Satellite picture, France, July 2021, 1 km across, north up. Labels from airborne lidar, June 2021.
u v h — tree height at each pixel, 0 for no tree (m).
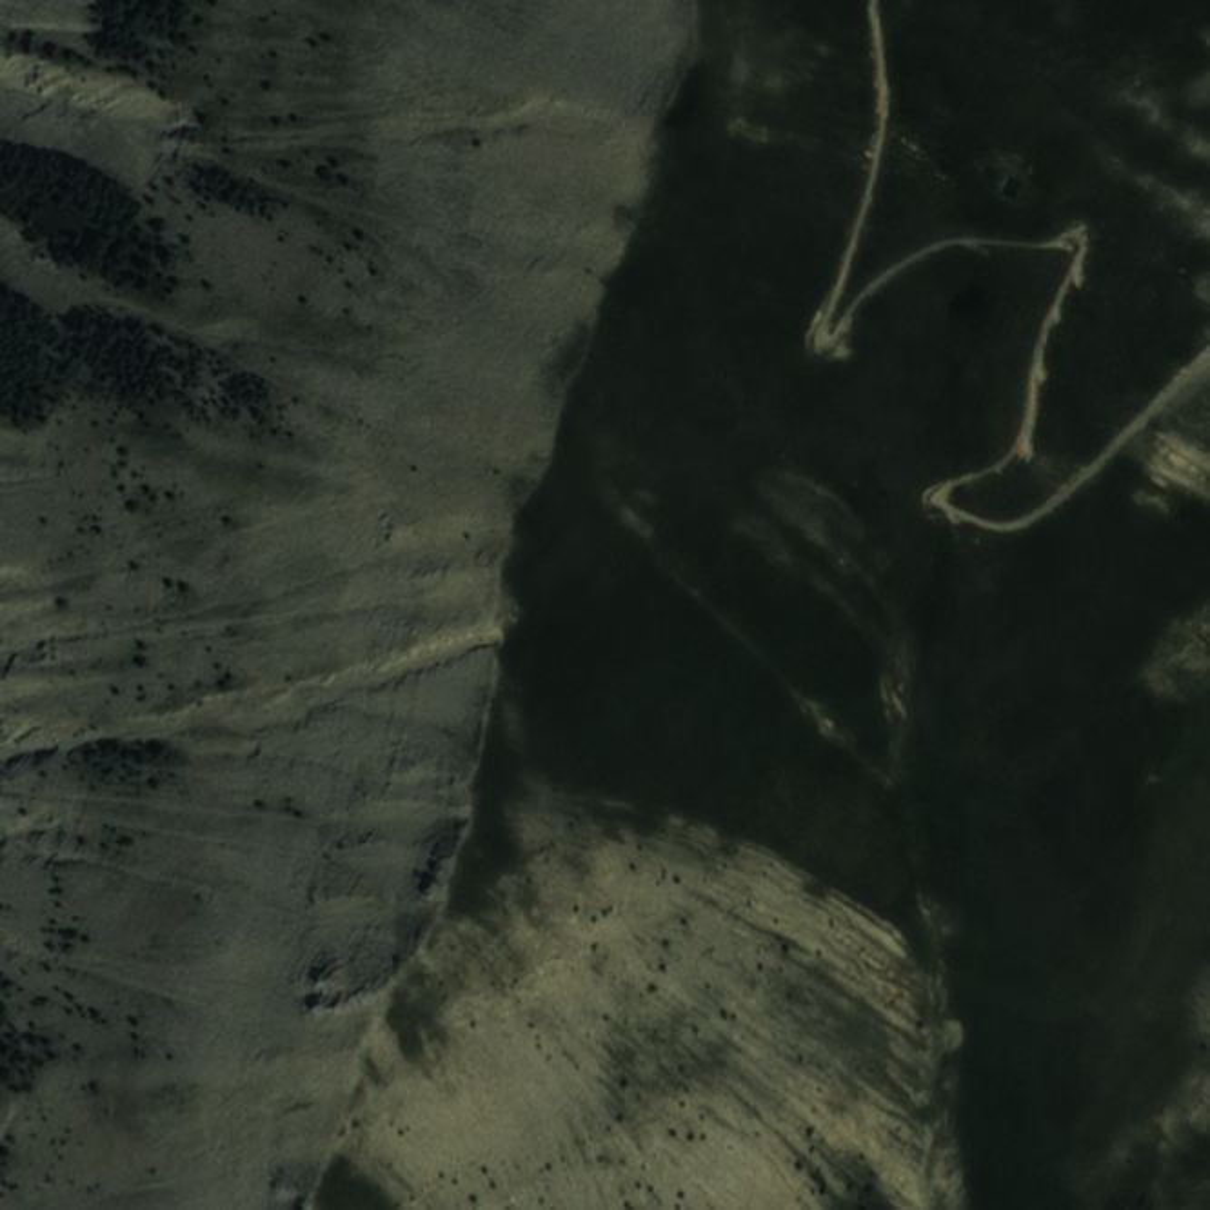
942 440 0
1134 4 0
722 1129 0
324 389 0
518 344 0
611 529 0
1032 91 0
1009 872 0
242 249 0
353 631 0
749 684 0
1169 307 0
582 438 0
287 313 0
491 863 0
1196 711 0
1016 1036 0
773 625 0
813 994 0
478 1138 0
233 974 0
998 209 0
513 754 0
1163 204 0
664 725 0
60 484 0
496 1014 0
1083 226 0
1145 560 0
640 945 0
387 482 0
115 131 0
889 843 0
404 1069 0
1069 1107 0
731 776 0
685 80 0
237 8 0
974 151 0
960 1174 0
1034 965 0
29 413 11
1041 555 0
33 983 0
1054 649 0
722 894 0
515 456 0
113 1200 0
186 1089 0
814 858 0
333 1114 0
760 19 0
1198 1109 0
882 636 0
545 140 0
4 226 0
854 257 0
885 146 0
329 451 0
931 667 0
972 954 0
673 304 0
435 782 0
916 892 0
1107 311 0
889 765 0
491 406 0
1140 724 0
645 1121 0
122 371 10
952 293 0
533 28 0
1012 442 0
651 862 0
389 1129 0
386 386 0
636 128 0
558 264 0
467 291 0
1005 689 0
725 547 0
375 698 0
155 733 0
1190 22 0
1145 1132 0
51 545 0
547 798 0
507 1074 0
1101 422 0
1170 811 0
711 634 0
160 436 0
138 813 0
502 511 0
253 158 0
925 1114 0
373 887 0
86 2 0
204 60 0
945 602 0
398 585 0
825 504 0
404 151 0
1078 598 0
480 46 0
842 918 0
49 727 0
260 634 0
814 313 0
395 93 0
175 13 12
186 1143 0
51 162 23
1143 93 0
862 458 0
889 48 0
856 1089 0
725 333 0
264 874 0
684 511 0
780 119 0
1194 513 0
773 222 0
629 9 0
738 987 0
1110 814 0
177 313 0
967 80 0
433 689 0
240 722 0
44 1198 0
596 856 0
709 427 0
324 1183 0
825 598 0
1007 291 0
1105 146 0
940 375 0
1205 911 0
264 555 0
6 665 0
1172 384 0
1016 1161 0
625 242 0
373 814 0
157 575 0
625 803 0
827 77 0
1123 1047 0
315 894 0
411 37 0
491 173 0
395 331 0
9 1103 0
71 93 0
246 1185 0
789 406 0
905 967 0
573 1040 0
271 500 0
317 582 0
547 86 0
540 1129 0
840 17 0
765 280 0
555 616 0
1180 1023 0
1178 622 0
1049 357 0
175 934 0
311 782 0
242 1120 0
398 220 0
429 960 0
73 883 0
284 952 0
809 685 0
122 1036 0
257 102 0
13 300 20
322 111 0
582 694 0
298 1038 0
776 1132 0
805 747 0
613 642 0
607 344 0
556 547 0
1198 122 0
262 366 0
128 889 0
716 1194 0
